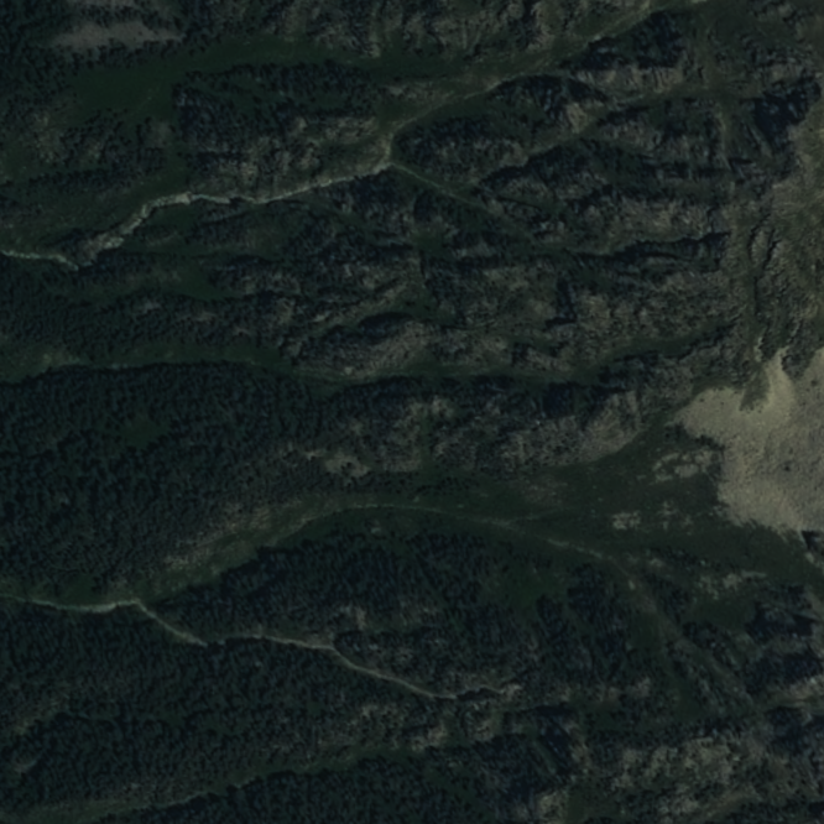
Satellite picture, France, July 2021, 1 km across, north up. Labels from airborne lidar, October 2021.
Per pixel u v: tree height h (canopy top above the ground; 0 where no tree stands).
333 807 12
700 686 7
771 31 0
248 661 12
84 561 17
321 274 13
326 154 10
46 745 31
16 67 21
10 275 21
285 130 7
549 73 0
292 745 12
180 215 0
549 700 8
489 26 9
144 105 0
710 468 0
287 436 7
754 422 0
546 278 9
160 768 21
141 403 18
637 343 0
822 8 0
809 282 0
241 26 9
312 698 11
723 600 0
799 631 0
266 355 0
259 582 13
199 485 12
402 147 14
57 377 19
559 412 8
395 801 9
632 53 0
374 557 11
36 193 7
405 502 0
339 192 0
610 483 0
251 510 15
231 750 16
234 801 10
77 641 25
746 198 0
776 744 0
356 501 0
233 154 13
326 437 13
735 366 9
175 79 0
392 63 0
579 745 7
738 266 10
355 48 6
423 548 9
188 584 0
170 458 12
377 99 11
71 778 21
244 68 8
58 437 24
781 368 0
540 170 7
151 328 16
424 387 8
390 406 7
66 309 16
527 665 9
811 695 0
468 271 11
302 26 0
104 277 17
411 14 9
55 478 25
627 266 6
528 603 0
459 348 12
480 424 11
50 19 15
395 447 9
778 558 0
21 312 15
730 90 0
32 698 16
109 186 12
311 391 11
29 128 7
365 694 10
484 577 15
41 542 25
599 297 8
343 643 12
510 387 7
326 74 12
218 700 19
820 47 0
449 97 0
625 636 11
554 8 0
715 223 0
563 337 9
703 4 0
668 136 5
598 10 8
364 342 10
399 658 8
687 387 7
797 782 0
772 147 0
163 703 24
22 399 19
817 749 0
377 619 11
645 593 0
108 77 0
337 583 10
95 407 20
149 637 15
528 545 0
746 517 0
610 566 0
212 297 0
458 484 7
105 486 12
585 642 7
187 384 16
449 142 9
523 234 0
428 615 6
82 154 12
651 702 7
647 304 9
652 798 7
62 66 12
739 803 0
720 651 7
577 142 0
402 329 7
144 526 20
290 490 13
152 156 17
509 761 7
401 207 10
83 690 15
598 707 0
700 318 11
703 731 0
